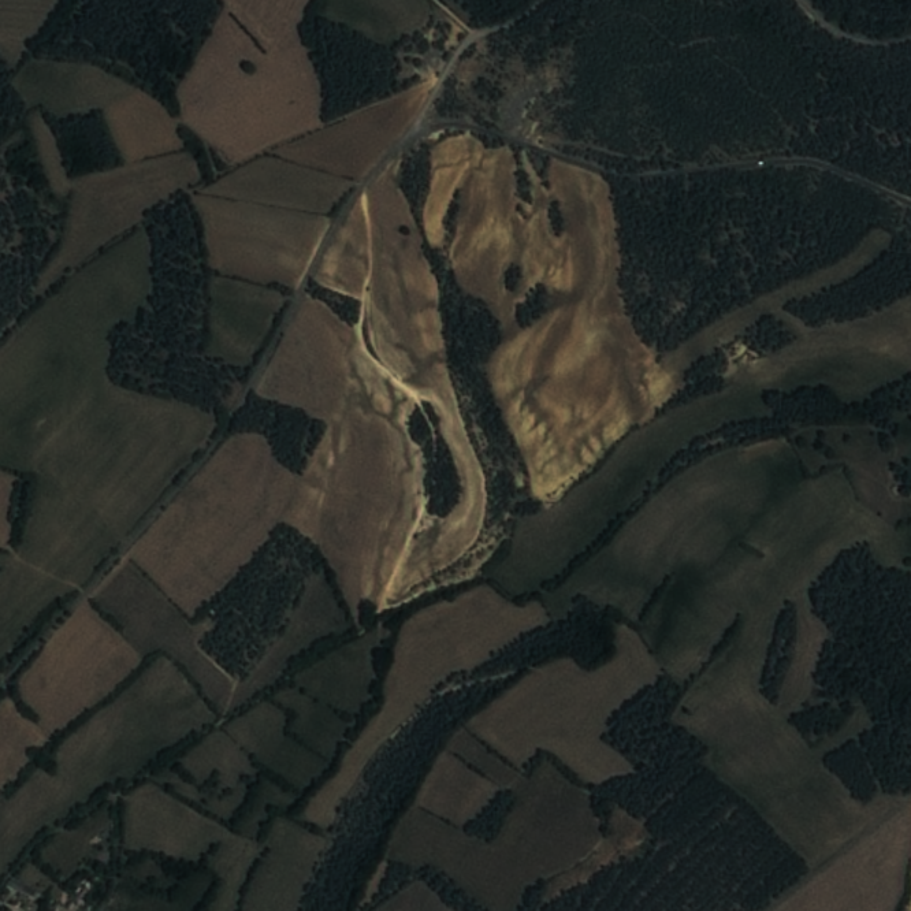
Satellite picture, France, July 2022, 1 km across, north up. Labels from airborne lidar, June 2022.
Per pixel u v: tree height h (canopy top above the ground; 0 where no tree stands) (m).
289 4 0
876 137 13
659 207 12
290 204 0
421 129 0
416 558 0
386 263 0
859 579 17
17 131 0
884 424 16
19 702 9
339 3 0
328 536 0
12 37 0
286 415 13
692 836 14
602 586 0
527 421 0
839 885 0
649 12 6
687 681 7
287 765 0
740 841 12
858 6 15
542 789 0
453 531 0
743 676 0
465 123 0
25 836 0
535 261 0
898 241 8
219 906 0
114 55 15
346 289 0
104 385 0
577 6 12
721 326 0
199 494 0
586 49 7
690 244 10
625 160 7
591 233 0
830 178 6
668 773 18
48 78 0
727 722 0
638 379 0
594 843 0
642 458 0
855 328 0
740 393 0
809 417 14
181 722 0
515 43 5
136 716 0
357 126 0
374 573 0
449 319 12
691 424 0
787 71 7
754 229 9
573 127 6
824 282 0
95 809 7
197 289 20
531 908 17
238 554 0
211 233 0
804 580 0
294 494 0
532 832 0
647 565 0
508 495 9
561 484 0
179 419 0
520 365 0
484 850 0
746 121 6
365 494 0
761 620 0
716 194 10
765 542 0
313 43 17
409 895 0
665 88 6
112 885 11
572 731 0
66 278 8
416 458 0
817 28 8
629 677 0
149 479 0
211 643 9
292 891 0
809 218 9
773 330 10
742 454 0
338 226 0
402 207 0
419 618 0
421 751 11
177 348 19
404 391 0
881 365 0
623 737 12
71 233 0
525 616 0
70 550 0
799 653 0
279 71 0
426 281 0
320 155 0
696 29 6
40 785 0
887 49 10
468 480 0
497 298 0
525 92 0
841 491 0
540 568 0
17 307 11
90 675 0
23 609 0
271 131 0
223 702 0
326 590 0
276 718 0
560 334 0
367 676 0
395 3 0
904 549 0
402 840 0
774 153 5
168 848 0
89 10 18
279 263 0
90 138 16
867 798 10
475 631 0
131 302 0
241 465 0
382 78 16
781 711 0
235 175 0
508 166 0
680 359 0
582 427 0
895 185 9
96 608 9
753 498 0
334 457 0
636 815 15
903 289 10
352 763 0
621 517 10
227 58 0
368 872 12
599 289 0
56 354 0
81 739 0
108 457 0
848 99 12
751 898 12
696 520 0
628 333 0
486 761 0
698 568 0
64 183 0
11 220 11
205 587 0
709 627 0
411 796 11
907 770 10
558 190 0
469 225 0
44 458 0
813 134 10
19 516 9
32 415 0
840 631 9
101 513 0
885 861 0
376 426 0
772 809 0
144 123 0
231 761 0
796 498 0
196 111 0
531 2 15
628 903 11
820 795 0
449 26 6
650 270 6
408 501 0
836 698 8
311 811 0
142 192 0
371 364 0
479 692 11
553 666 0
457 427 0
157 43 19
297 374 0
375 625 10
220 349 0
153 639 0
